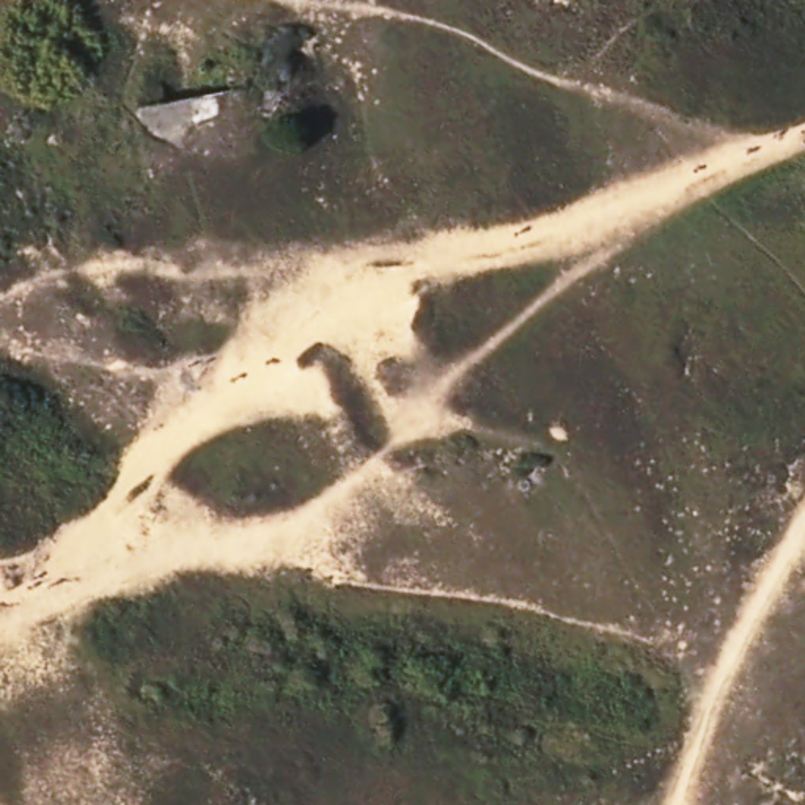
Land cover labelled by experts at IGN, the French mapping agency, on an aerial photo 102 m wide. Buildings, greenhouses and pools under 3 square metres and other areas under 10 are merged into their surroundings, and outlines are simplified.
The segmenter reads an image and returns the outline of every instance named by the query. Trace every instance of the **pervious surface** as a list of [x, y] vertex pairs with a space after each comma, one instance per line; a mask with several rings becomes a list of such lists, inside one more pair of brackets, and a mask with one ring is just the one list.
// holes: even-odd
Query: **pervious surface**
[[182, 72], [192, 72], [198, 60], [192, 60], [192, 25], [154, 22], [160, 0], [145, 0], [142, 16], [126, 13], [119, 22], [132, 28], [135, 38], [164, 35], [176, 47], [179, 66]]
[[[0, 711], [9, 711], [13, 698], [41, 686], [44, 676], [63, 679], [69, 673], [69, 648], [79, 641], [75, 619], [82, 619], [88, 607], [101, 597], [145, 594], [154, 591], [160, 582], [173, 579], [176, 572], [189, 569], [255, 575], [261, 566], [299, 566], [311, 569], [311, 575], [324, 579], [327, 585], [358, 585], [368, 591], [497, 604], [509, 610], [538, 613], [544, 619], [575, 626], [585, 632], [657, 648], [660, 657], [676, 660], [686, 682], [686, 698], [692, 701], [682, 758], [673, 777], [667, 780], [663, 805], [698, 805], [698, 770], [711, 748], [723, 698], [755, 635], [770, 616], [783, 588], [789, 594], [805, 594], [805, 456], [789, 462], [783, 494], [758, 494], [761, 509], [786, 528], [786, 535], [767, 557], [758, 560], [752, 594], [742, 597], [736, 588], [726, 588], [723, 597], [711, 597], [711, 632], [689, 632], [682, 623], [667, 619], [660, 632], [648, 635], [638, 632], [635, 616], [626, 616], [626, 623], [619, 626], [572, 616], [525, 597], [434, 585], [428, 575], [418, 575], [418, 560], [412, 557], [390, 560], [384, 566], [384, 579], [368, 579], [362, 566], [355, 566], [355, 560], [362, 557], [365, 538], [384, 509], [393, 513], [399, 525], [418, 525], [425, 516], [437, 525], [450, 525], [450, 513], [428, 500], [415, 478], [406, 469], [393, 469], [390, 459], [406, 443], [425, 437], [447, 437], [472, 428], [475, 418], [456, 415], [450, 409], [450, 393], [475, 365], [497, 352], [509, 336], [516, 336], [575, 280], [588, 277], [591, 270], [604, 267], [613, 255], [619, 255], [635, 233], [660, 223], [663, 217], [676, 214], [679, 208], [698, 198], [714, 195], [717, 189], [742, 176], [752, 176], [770, 164], [780, 164], [805, 151], [805, 123], [789, 126], [786, 132], [736, 135], [704, 119], [679, 116], [670, 107], [660, 107], [638, 94], [566, 75], [531, 66], [462, 25], [409, 9], [393, 9], [374, 0], [264, 0], [296, 9], [299, 19], [311, 25], [336, 22], [340, 13], [349, 13], [355, 19], [377, 16], [462, 38], [522, 75], [585, 94], [591, 101], [629, 107], [632, 113], [654, 123], [654, 135], [645, 148], [623, 148], [619, 154], [607, 157], [604, 170], [616, 182], [535, 220], [516, 220], [487, 230], [437, 230], [418, 242], [352, 242], [330, 252], [286, 245], [280, 252], [258, 252], [252, 264], [204, 261], [195, 270], [182, 270], [170, 258], [160, 261], [142, 255], [104, 252], [85, 264], [75, 264], [66, 261], [57, 242], [38, 248], [22, 245], [22, 255], [28, 258], [35, 277], [19, 280], [9, 289], [0, 289], [0, 305], [13, 305], [47, 286], [66, 289], [66, 280], [79, 274], [101, 286], [107, 302], [126, 302], [126, 292], [116, 283], [119, 274], [151, 274], [179, 283], [245, 280], [248, 289], [248, 305], [242, 308], [239, 330], [226, 340], [220, 352], [182, 355], [157, 368], [126, 358], [88, 355], [69, 340], [44, 340], [25, 327], [16, 333], [0, 333], [0, 352], [13, 355], [16, 362], [47, 365], [72, 362], [110, 371], [116, 377], [151, 380], [157, 387], [148, 418], [138, 428], [138, 437], [123, 450], [116, 484], [88, 516], [60, 525], [53, 538], [41, 541], [28, 553], [0, 557]], [[478, 343], [475, 349], [447, 365], [437, 377], [415, 377], [409, 393], [403, 396], [387, 393], [377, 365], [384, 358], [409, 358], [421, 346], [412, 330], [412, 321], [418, 302], [437, 283], [547, 261], [557, 274], [553, 283], [544, 286], [519, 314], [513, 314], [484, 343]], [[387, 421], [387, 440], [380, 443], [380, 450], [358, 462], [352, 472], [346, 472], [336, 484], [321, 491], [314, 500], [286, 513], [226, 519], [214, 516], [211, 506], [179, 491], [170, 472], [192, 447], [230, 428], [255, 425], [264, 418], [327, 418], [340, 409], [330, 393], [324, 368], [299, 368], [299, 355], [314, 343], [327, 343], [352, 358], [355, 377], [365, 384], [368, 396]]]

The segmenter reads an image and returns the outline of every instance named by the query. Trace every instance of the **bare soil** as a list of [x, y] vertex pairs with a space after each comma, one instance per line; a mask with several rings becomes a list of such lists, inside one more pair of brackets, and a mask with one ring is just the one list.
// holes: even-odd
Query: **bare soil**
[[60, 396], [69, 406], [82, 409], [123, 450], [138, 437], [138, 428], [148, 418], [157, 387], [151, 380], [116, 377], [110, 371], [72, 362], [47, 365], [47, 377], [57, 384]]
[[384, 358], [377, 365], [387, 393], [403, 396], [409, 393], [415, 377], [437, 377], [447, 365], [421, 346], [409, 358]]
[[135, 805], [126, 792], [113, 792], [107, 786], [110, 758], [119, 755], [116, 739], [94, 739], [91, 752], [79, 752], [75, 745], [57, 745], [50, 764], [25, 767], [25, 805]]
[[142, 255], [160, 261], [170, 258], [182, 270], [195, 270], [204, 261], [252, 264], [258, 252], [242, 242], [217, 242], [198, 236], [186, 245], [176, 245], [170, 255], [164, 248], [145, 248]]
[[135, 116], [151, 129], [151, 135], [179, 142], [189, 126], [217, 116], [217, 101], [211, 94], [182, 101], [145, 107]]
[[629, 19], [613, 25], [601, 47], [588, 53], [585, 63], [575, 63], [566, 75], [638, 94], [635, 72], [613, 72], [607, 79], [604, 72], [604, 57], [619, 44], [623, 35], [635, 28], [635, 22]]

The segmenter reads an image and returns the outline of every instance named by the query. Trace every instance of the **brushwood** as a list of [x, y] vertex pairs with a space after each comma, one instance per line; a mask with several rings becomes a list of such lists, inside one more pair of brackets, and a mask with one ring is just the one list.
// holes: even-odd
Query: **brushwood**
[[248, 79], [252, 60], [239, 44], [198, 60], [192, 72], [182, 72], [179, 66], [170, 69], [160, 63], [148, 63], [148, 75], [142, 85], [145, 107], [182, 101], [179, 88], [186, 85], [214, 88]]
[[299, 154], [302, 142], [296, 135], [296, 126], [280, 110], [264, 126], [264, 142], [277, 154], [289, 157]]
[[85, 69], [85, 75], [94, 79], [104, 97], [123, 94], [123, 60], [135, 50], [135, 38], [132, 28], [119, 22], [107, 22], [101, 16], [97, 0], [19, 0], [16, 13], [6, 19], [6, 28], [19, 31], [22, 38], [50, 41], [53, 50], [66, 53], [72, 63]]

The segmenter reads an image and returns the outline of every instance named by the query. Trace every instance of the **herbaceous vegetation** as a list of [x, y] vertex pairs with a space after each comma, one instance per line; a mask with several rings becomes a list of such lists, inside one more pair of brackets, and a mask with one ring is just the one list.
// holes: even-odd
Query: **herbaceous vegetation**
[[509, 336], [497, 352], [475, 365], [450, 393], [450, 409], [456, 415], [475, 418], [472, 428], [447, 437], [425, 437], [406, 443], [390, 459], [393, 469], [406, 469], [415, 478], [428, 500], [450, 513], [450, 525], [437, 525], [425, 516], [418, 525], [399, 525], [393, 513], [384, 509], [365, 538], [362, 557], [355, 560], [355, 566], [362, 566], [368, 579], [384, 579], [384, 566], [390, 560], [412, 557], [418, 560], [418, 575], [428, 575], [434, 585], [525, 597], [572, 616], [619, 626], [626, 623], [626, 616], [635, 616], [638, 632], [648, 635], [660, 632], [667, 619], [682, 623], [689, 632], [711, 632], [711, 597], [723, 597], [726, 588], [736, 588], [742, 597], [752, 594], [758, 560], [767, 557], [786, 535], [786, 528], [761, 509], [758, 494], [783, 494], [789, 462], [805, 456], [805, 151], [780, 164], [770, 164], [752, 176], [742, 176], [717, 189], [714, 195], [698, 198], [679, 208], [676, 214], [663, 217], [660, 223], [635, 233], [619, 255], [613, 255], [604, 267], [591, 270], [588, 277], [575, 280], [516, 336]]
[[0, 557], [28, 553], [41, 541], [53, 538], [60, 525], [88, 516], [116, 484], [123, 450], [82, 409], [69, 406], [60, 396], [57, 384], [47, 377], [47, 365], [16, 362], [13, 355], [0, 352]]
[[97, 0], [101, 16], [107, 22], [119, 22], [126, 13], [142, 16], [145, 0]]
[[242, 308], [248, 305], [248, 289], [245, 280], [179, 283], [151, 274], [119, 274], [116, 283], [126, 292], [126, 302], [107, 302], [101, 286], [79, 274], [66, 280], [66, 289], [47, 286], [13, 305], [0, 305], [0, 333], [16, 333], [25, 327], [44, 340], [69, 340], [88, 355], [126, 358], [157, 368], [182, 355], [220, 352], [226, 340], [239, 330]]
[[557, 274], [547, 261], [437, 283], [418, 302], [412, 321], [412, 330], [421, 346], [447, 365], [475, 349], [478, 343], [484, 343], [513, 314], [519, 314], [544, 286], [553, 283]]
[[214, 516], [226, 519], [286, 513], [314, 500], [321, 491], [336, 484], [346, 472], [352, 472], [358, 462], [380, 450], [380, 443], [387, 440], [387, 421], [368, 396], [365, 384], [355, 377], [352, 358], [327, 343], [314, 343], [299, 355], [299, 368], [324, 368], [330, 393], [340, 409], [327, 418], [264, 418], [255, 425], [230, 428], [192, 447], [170, 472], [179, 491], [211, 506]]
[[789, 594], [783, 588], [770, 616], [755, 635], [723, 698], [711, 748], [698, 770], [698, 805], [805, 805], [805, 594]]
[[660, 657], [657, 648], [585, 632], [575, 626], [544, 619], [538, 613], [509, 610], [497, 604], [368, 591], [358, 585], [327, 585], [324, 579], [311, 575], [311, 569], [299, 566], [261, 566], [255, 575], [189, 569], [176, 572], [173, 579], [160, 582], [154, 591], [145, 594], [101, 597], [88, 607], [82, 619], [75, 619], [79, 641], [69, 648], [69, 673], [63, 679], [44, 676], [41, 686], [13, 698], [9, 711], [0, 711], [0, 805], [25, 805], [25, 767], [50, 764], [57, 745], [75, 745], [79, 752], [91, 752], [94, 739], [116, 739], [119, 755], [110, 758], [107, 786], [113, 792], [126, 792], [135, 805], [663, 805], [667, 780], [673, 777], [682, 758], [692, 701], [686, 698], [686, 682], [676, 660]]
[[[632, 113], [629, 107], [591, 101], [585, 94], [522, 75], [462, 38], [377, 16], [355, 19], [349, 13], [340, 13], [336, 22], [311, 25], [299, 19], [296, 9], [264, 0], [160, 0], [154, 22], [192, 25], [192, 60], [198, 60], [239, 44], [252, 60], [248, 79], [214, 88], [186, 85], [179, 88], [182, 101], [211, 94], [217, 101], [217, 116], [189, 126], [179, 142], [151, 135], [151, 129], [135, 116], [145, 107], [142, 85], [148, 75], [148, 63], [160, 63], [170, 69], [179, 66], [176, 47], [164, 35], [135, 38], [135, 50], [123, 60], [123, 94], [104, 97], [94, 79], [85, 75], [85, 69], [72, 63], [66, 53], [53, 50], [50, 41], [22, 38], [19, 31], [6, 28], [6, 19], [16, 13], [19, 0], [0, 0], [0, 289], [9, 289], [19, 280], [35, 277], [28, 258], [22, 255], [22, 245], [38, 248], [57, 242], [66, 261], [75, 264], [85, 264], [104, 252], [142, 255], [145, 248], [164, 248], [170, 255], [176, 245], [186, 245], [198, 236], [217, 242], [242, 242], [258, 252], [280, 252], [286, 245], [330, 252], [352, 242], [418, 242], [437, 230], [487, 230], [516, 220], [535, 220], [616, 182], [604, 170], [607, 157], [619, 154], [623, 148], [645, 148], [654, 135], [654, 123]], [[296, 126], [296, 135], [302, 142], [299, 154], [289, 157], [277, 154], [264, 142], [264, 126], [280, 110]]]
[[531, 66], [566, 75], [575, 63], [585, 63], [588, 53], [601, 47], [613, 25], [629, 19], [635, 22], [635, 28], [623, 35], [619, 44], [604, 57], [604, 72], [607, 79], [613, 72], [635, 72], [638, 94], [660, 107], [670, 107], [679, 116], [704, 119], [736, 135], [786, 132], [789, 126], [805, 123], [805, 0], [374, 0], [393, 9], [409, 9], [462, 25]]

